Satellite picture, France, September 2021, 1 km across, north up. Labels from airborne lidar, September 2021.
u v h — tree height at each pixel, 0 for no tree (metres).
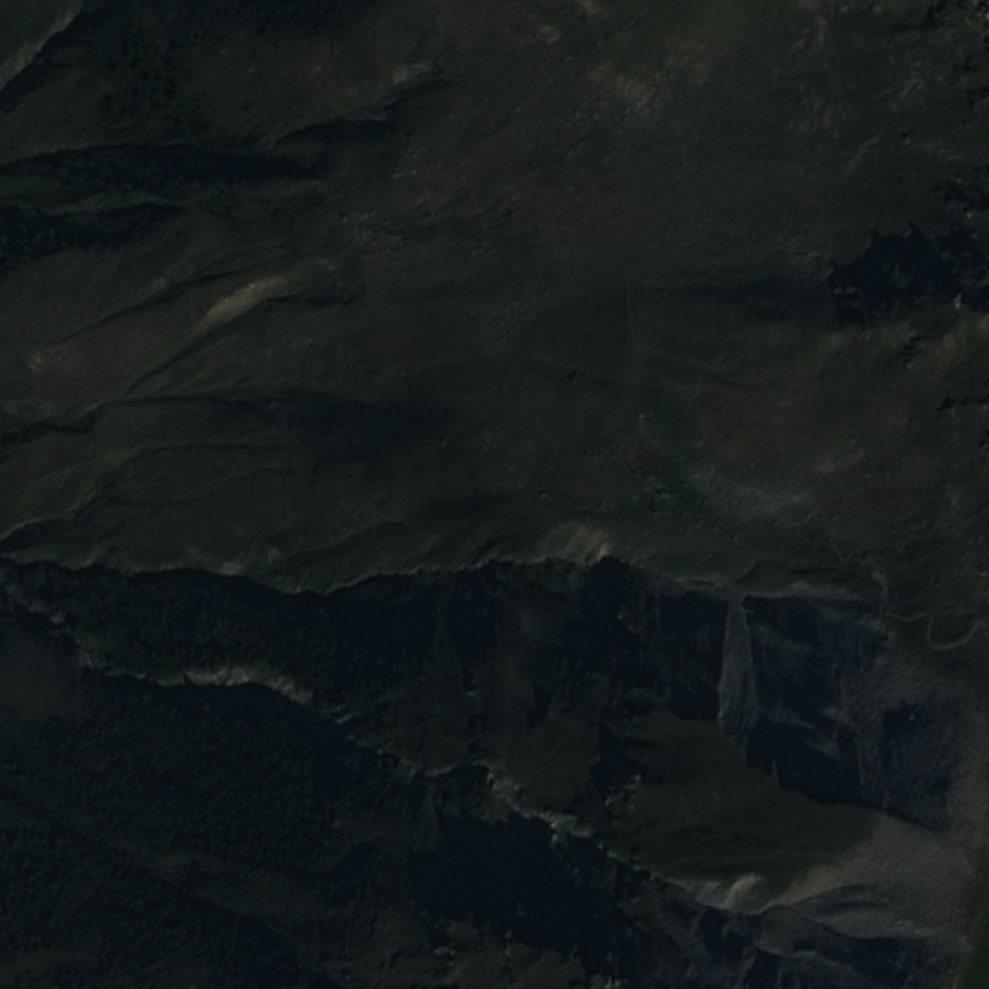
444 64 0
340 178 0
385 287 0
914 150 0
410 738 0
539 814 0
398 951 0
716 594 0
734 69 0
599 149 0
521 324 0
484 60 0
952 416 0
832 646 0
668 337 0
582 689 0
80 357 0
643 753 0
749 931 0
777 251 0
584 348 0
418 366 0
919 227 0
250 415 0
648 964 0
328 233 0
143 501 0
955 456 0
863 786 0
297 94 0
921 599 0
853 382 0
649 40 0
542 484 0
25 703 0
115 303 0
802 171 0
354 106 0
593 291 0
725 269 0
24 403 0
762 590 0
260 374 0
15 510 0
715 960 0
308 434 0
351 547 0
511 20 0
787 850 0
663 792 0
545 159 0
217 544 0
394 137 0
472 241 0
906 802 0
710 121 0
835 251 0
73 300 0
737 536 0
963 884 0
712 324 0
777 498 0
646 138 0
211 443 0
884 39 0
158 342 0
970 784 0
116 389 0
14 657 0
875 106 0
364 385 0
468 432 0
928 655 0
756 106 0
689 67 0
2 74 0
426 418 0
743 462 0
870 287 0
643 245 0
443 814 0
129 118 9
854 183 0
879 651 0
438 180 0
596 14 0
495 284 0
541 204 0
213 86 0
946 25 0
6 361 0
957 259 0
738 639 0
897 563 0
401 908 0
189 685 0
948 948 0
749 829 0
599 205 0
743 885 0
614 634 0
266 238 0
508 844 0
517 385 0
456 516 0
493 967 0
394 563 0
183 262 0
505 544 0
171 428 0
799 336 0
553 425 0
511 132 0
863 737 0
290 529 0
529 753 0
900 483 0
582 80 0
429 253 0
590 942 0
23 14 0
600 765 0
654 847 0
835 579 0
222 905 0
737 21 0
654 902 0
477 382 0
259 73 0
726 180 0
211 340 0
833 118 0
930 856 0
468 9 0
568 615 0
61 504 0
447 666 0
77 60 0
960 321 0
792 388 0
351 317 0
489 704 0
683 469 0
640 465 0
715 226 0
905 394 0
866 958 0
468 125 0
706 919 0
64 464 0
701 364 0
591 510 0
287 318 0
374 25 0
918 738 0
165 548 0
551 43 0
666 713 0
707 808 0
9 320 0
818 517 0
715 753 0
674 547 0
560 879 0
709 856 0
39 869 10
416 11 0
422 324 0
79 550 0
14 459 0
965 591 0
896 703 0
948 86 0
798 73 0
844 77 0
